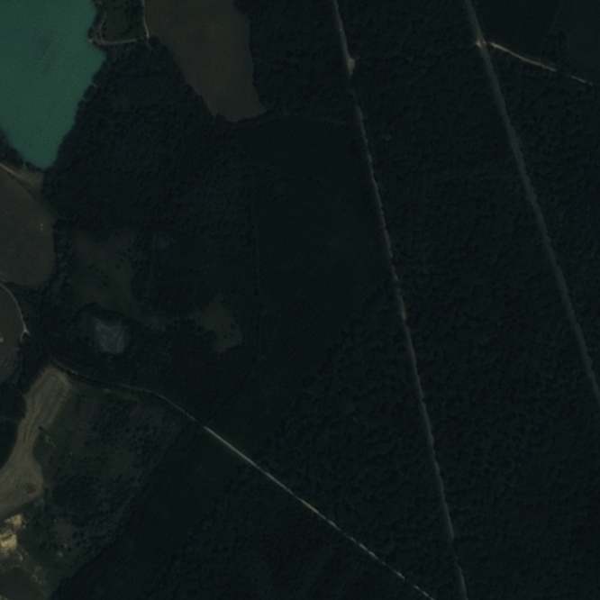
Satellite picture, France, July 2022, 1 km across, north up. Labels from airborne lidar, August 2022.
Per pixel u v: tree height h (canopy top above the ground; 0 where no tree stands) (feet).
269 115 36
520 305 75
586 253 79
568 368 45
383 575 64
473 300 98
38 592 0
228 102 0
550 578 67
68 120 0
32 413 0
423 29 65
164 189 78
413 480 70
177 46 0
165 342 37
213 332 32
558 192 63
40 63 0
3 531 0
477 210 42
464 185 80
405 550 74
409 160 84
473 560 58
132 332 30
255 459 59
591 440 75
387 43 82
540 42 25
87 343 54
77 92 0
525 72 62
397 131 72
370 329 50
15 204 0
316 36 86
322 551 63
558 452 62
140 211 74
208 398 57
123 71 53
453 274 42
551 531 57
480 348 69
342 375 83
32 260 0
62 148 32
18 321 0
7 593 0
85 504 20
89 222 59
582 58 0
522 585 77
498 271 55
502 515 54
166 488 20
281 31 89
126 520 31
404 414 83
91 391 0
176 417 30
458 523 62
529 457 80
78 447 0
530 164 54
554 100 79
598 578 67
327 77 85
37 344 59
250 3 76
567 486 83
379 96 78
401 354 72
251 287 40
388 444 69
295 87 62
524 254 89
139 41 18
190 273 48
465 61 68
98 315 48
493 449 32
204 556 57
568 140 80
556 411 69
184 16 0
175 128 66
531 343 59
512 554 69
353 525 64
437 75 52
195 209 57
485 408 69
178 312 58
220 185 84
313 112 68
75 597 50
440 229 65
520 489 68
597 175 71
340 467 61
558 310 51
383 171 73
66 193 78
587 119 82
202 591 85
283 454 73
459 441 57
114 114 25
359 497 83
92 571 41
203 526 55
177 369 56
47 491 20
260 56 77
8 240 0
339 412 80
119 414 22
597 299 57
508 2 34
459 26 65
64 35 0
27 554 0
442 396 71
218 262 37
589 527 96
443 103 71
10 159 27
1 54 0
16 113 0
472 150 68
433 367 71
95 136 62
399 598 65
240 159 67
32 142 0
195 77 0
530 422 83
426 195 67
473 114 80
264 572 66
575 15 0
